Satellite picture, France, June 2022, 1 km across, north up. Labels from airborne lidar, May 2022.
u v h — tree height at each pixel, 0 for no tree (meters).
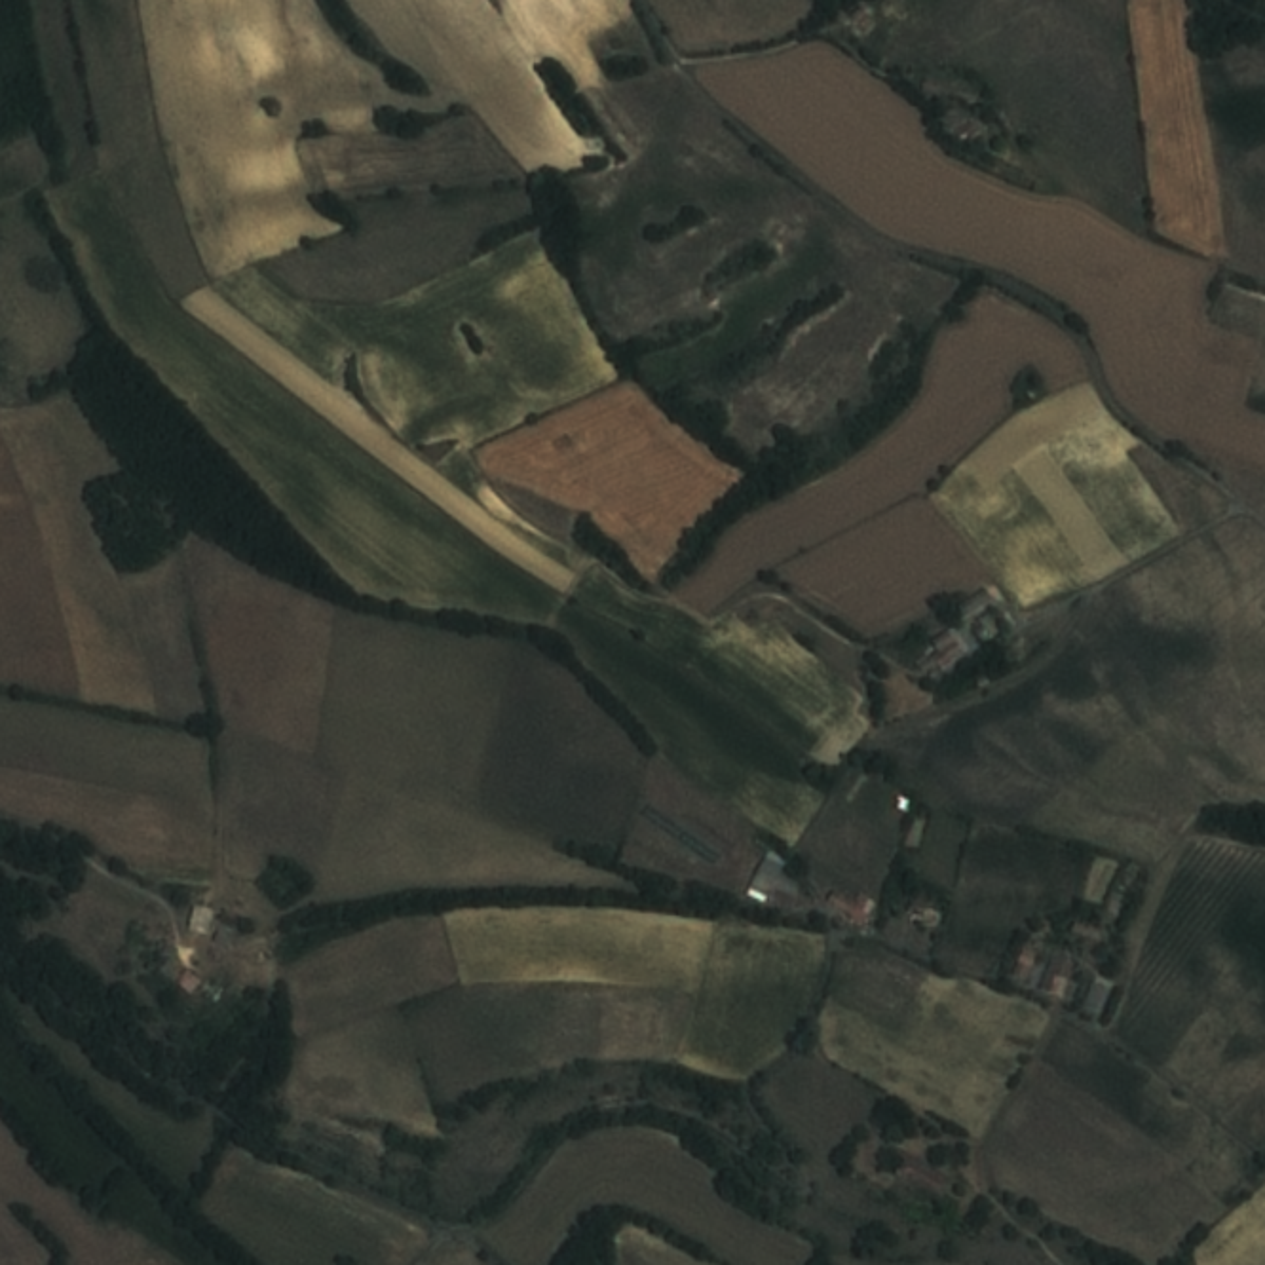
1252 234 0
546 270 0
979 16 0
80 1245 0
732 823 0
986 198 0
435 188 9
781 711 0
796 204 0
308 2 0
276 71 0
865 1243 14
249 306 0
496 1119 0
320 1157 0
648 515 0
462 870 0
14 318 0
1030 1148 0
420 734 0
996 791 0
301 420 0
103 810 0
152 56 0
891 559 0
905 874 7
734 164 0
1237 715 0
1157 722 0
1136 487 0
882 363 7
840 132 0
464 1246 0
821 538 0
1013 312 0
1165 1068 0
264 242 0
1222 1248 0
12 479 0
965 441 0
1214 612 0
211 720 16
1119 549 0
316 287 0
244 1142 17
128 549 11
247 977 0
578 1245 18
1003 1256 0
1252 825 9
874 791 0
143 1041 10
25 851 15
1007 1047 0
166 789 0
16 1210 9
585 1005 0
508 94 0
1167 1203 0
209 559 0
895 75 6
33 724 0
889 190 0
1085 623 0
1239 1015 0
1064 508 0
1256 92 0
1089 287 0
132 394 18
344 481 0
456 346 0
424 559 0
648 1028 0
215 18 0
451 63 0
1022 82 0
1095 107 0
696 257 0
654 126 0
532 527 0
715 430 11
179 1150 0
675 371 0
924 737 0
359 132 0
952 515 0
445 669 0
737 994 0
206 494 18
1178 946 0
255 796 0
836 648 0
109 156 0
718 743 0
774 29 0
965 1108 0
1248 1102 0
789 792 0
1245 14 14
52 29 0
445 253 0
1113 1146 0
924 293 0
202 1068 14
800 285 0
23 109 12
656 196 0
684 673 0
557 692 0
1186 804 0
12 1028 13
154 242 0
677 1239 13
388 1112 0
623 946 0
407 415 0
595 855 13
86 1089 13
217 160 0
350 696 0
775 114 0
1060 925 6
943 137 9
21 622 0
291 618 0
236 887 0
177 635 0
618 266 0
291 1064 10
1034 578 0
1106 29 0
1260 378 0
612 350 10
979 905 0
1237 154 0
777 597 0
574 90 6
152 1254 0
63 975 15
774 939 0
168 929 0
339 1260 10
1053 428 0
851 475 0
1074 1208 0
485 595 0
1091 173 0
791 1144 9
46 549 0
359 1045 0
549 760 0
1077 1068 0
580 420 0
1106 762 0
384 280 0
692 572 10
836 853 0
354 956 0
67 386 10
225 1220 0
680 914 10
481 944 0
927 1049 0
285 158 0
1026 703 0
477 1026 0
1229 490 0
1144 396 0
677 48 0
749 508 11
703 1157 12
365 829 0
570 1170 0
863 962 0
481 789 0
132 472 14
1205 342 0
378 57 7
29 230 0
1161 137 0
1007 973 8
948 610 12
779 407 0
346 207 8
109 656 0
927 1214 6
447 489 0
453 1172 0
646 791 0
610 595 0
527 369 0
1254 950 0
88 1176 0
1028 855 0
